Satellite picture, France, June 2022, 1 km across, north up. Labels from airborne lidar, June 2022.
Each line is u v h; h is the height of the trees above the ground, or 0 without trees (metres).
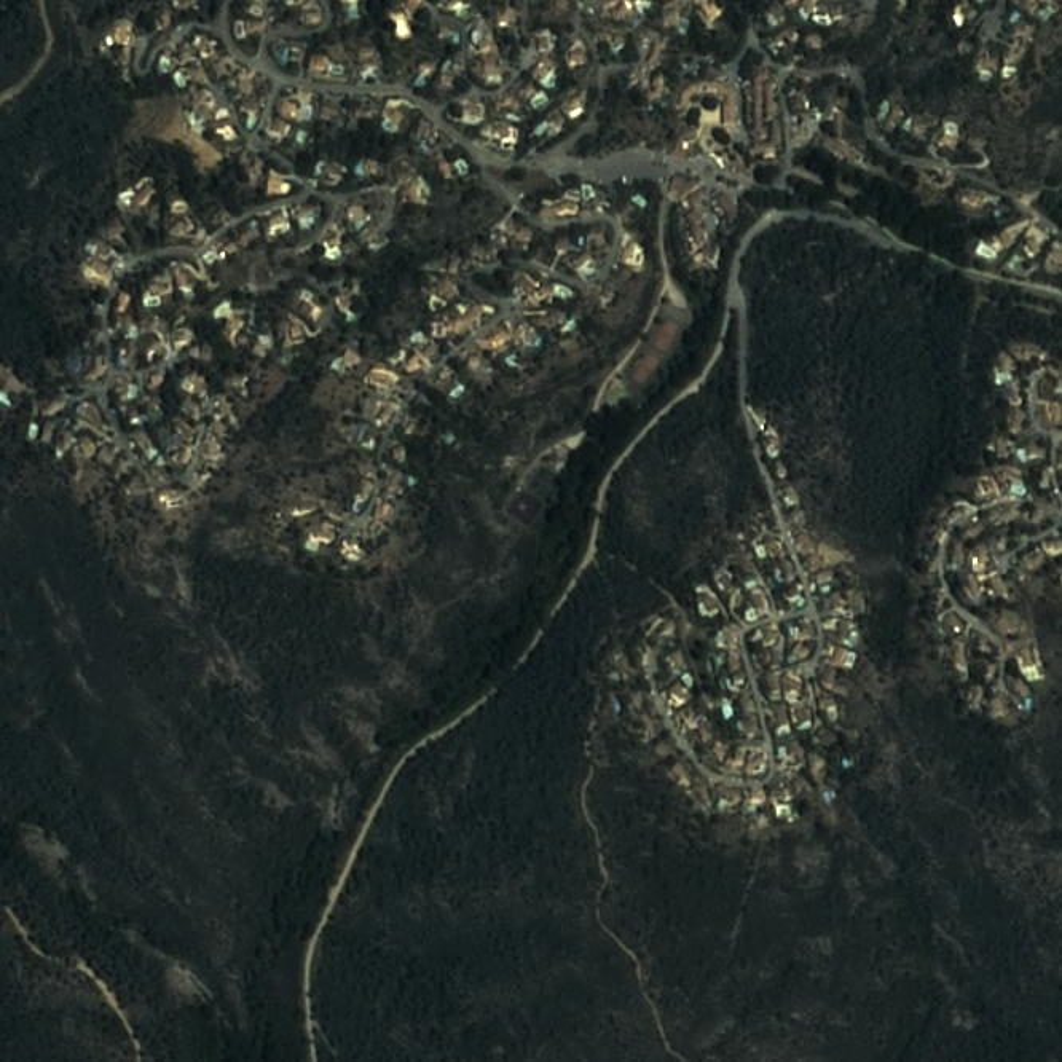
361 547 7
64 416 7
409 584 7
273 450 9
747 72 11
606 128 7
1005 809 11
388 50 15
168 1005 15
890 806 8
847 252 18
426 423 9
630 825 12
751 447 7
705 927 0
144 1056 14
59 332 6
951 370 17
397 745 17
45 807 11
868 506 12
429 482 8
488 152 0
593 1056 0
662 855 8
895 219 17
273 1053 25
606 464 13
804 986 0
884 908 0
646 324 7
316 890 9
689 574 10
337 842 6
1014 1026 7
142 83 14
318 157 9
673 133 10
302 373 9
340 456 6
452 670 11
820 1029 7
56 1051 12
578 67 6
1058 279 7
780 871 0
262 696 8
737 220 8
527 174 9
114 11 8
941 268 12
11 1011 15
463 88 10
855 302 5
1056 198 15
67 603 0
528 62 0
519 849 8
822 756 8
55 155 15
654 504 0
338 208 0
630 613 16
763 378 6
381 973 17
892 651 17
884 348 17
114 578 11
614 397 0
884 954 7
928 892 8
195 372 11
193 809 0
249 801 14
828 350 9
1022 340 13
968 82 10
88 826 13
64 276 18
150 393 7
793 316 14
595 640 14
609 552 8
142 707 0
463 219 8
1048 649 0
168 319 7
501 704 14
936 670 0
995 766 17
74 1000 0
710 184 0
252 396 8
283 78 0
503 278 10
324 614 7
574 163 0
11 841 18
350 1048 6
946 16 7
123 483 6
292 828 11
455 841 8
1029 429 6
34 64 9
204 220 5
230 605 13
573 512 13
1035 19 6
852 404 15
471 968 10
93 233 9
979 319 9
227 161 12
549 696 17
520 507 0
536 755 12
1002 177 12
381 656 0
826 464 0
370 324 14
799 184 15
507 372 7
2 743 18
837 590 7
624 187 8
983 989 7
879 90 6
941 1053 8
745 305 0
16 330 21
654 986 7
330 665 10
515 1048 8
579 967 0
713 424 10
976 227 9
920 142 10
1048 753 0
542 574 6
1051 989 0
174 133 0
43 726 9
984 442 12
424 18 14
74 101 16
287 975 0
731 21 7
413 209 6
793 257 8
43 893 18
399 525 6
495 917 7
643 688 10
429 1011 16
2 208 12
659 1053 0
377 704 0
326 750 0
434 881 7
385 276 9
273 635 6
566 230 7
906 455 16
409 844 8
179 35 0
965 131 6
